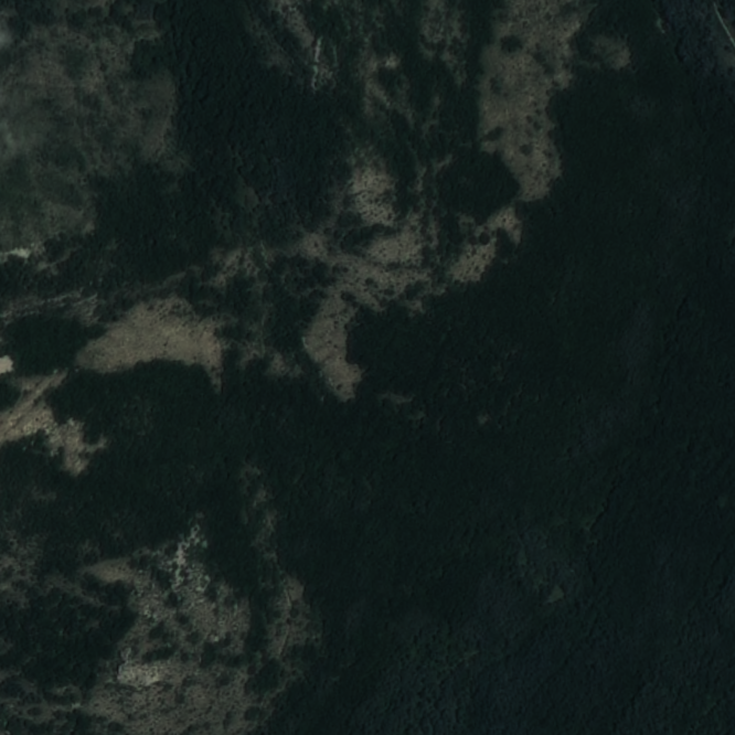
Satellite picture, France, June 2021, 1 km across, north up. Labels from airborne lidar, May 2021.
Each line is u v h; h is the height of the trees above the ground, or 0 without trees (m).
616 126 12
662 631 18
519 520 12
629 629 14
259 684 7
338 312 0
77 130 0
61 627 11
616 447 17
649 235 13
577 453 9
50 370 10
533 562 8
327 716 12
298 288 10
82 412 8
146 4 14
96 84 0
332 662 9
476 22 9
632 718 17
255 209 7
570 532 10
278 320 7
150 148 0
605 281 15
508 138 0
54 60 0
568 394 12
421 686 12
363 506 8
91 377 7
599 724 8
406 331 12
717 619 15
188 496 12
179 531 7
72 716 13
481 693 19
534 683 14
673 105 18
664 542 17
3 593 6
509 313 13
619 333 21
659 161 10
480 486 13
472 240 8
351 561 17
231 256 0
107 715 0
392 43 9
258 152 12
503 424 12
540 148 0
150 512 7
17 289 8
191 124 15
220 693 0
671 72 17
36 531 6
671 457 9
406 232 0
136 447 9
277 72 10
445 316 12
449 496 18
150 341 0
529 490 17
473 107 10
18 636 13
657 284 12
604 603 17
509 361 10
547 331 16
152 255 11
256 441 14
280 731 14
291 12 0
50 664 14
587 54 10
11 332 11
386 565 11
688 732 8
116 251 8
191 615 0
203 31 15
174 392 9
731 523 21
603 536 11
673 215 13
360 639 20
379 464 15
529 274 13
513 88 0
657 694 17
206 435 11
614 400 12
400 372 11
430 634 16
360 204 0
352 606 19
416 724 6
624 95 11
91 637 10
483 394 12
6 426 0
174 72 12
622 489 17
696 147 13
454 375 13
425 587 15
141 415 9
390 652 12
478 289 13
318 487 10
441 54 7
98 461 8
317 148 12
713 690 14
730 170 16
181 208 13
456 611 10
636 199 12
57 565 9
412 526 14
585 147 17
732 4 10
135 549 8
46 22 6
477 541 15
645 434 15
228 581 9
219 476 12
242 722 0
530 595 17
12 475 7
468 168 15
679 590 18
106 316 8
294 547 14
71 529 7
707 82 14
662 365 22
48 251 7
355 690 17
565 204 14
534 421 13
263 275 8
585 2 8
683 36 23
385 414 13
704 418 16
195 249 11
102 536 9
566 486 14
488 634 18
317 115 12
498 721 15
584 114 16
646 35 11
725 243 11
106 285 10
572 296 13
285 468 14
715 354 18
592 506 14
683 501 14
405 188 9
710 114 20
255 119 13
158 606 0
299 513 14
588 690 15
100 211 12
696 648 14
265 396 13
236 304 9
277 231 7
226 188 8
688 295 14
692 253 16
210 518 11
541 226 16
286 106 11
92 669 11
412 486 12
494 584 14
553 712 15
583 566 11
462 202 12
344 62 9
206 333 0
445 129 9
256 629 8
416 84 12
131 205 14
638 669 12
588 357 16
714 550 16
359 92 6
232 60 13
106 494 10
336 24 9
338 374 0
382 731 20
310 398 10
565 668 16
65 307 6
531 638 13
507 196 13
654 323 22
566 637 13
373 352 16
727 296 17
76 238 10
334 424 11
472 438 11
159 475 9
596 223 16
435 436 10
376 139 7
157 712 0
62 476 9
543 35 0
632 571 18
